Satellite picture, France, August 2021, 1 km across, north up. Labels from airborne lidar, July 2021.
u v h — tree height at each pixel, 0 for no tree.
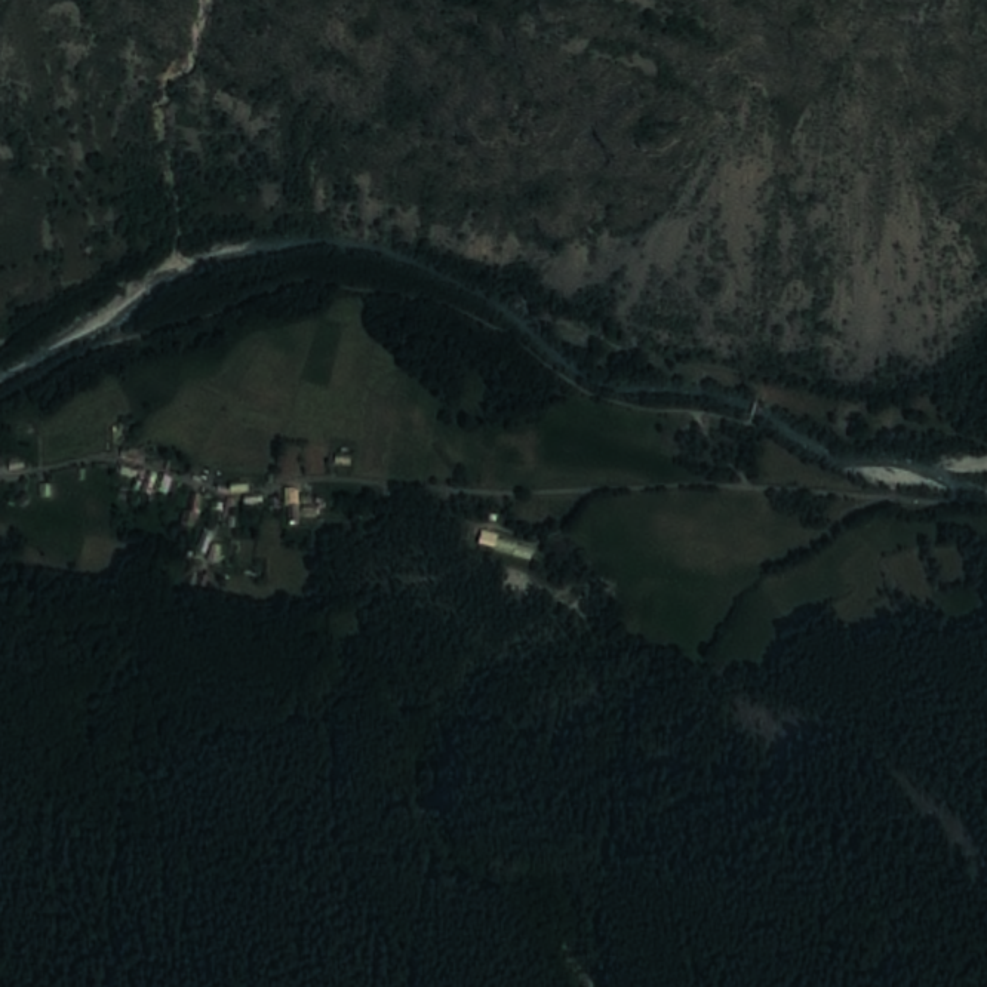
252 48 7
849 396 15
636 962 17
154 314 16
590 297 9
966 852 10
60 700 25
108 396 0
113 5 6
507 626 15
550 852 13
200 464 0
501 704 24
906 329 0
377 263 16
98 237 13
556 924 10
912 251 0
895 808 27
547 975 26
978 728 22
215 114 14
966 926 22
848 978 25
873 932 18
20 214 0
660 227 0
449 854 9
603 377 16
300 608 27
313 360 0
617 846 17
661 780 30
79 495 0
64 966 27
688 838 22
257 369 0
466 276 19
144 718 23
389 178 7
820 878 24
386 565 12
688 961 17
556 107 6
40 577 22
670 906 25
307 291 17
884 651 27
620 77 6
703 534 0
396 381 0
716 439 6
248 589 0
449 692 14
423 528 14
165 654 25
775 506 6
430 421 0
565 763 26
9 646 19
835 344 0
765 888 34
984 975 21
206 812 23
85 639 23
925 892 20
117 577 20
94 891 26
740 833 24
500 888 16
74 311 6
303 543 6
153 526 0
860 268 0
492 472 0
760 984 28
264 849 23
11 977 27
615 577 0
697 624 0
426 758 12
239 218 11
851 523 16
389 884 17
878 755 18
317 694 25
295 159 9
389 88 6
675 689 28
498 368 25
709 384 14
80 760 26
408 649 19
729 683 14
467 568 13
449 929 27
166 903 27
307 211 8
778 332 10
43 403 17
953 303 0
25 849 20
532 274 12
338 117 6
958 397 16
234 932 27
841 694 21
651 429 0
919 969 23
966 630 25
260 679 24
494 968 30
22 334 10
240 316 17
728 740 15
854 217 0
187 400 0
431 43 6
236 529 5
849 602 0
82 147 0
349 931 32
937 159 9
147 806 29
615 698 8
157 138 7
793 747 17
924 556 9
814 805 34
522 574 0
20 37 0
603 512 0
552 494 0
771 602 0
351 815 16
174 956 24
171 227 11
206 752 19
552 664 24
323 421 0
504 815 17
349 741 21
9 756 21
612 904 28
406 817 10
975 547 21
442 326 21
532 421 6
